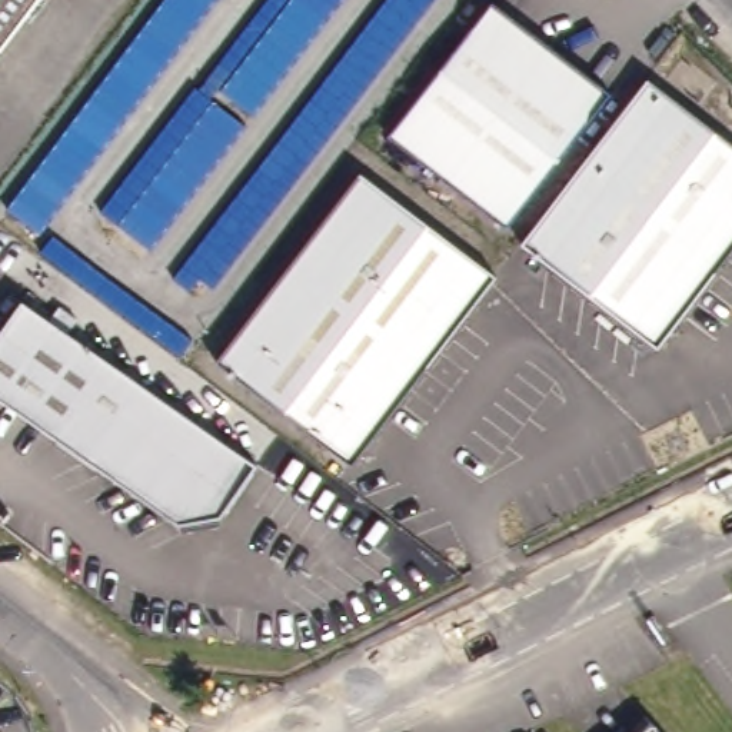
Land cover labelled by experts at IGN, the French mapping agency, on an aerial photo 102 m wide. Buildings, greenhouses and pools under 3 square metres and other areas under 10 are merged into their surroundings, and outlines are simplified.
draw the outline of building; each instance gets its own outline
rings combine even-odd
[[[229,446],[223,446],[200,426],[189,423],[180,412],[157,400],[152,392],[140,389],[112,363],[92,355],[54,326],[49,326],[37,312],[17,306],[9,323],[0,329],[0,406],[6,409],[3,420],[14,432],[31,426],[34,432],[57,440],[69,455],[103,472],[114,486],[129,489],[134,498],[146,498],[152,509],[169,518],[192,518],[212,512],[232,486],[234,475],[240,472],[243,458],[237,458]]]
[[[463,309],[463,303],[472,297],[472,292],[480,286],[486,275],[452,243],[435,234],[426,223],[409,214],[403,206],[397,206],[392,197],[386,197],[380,189],[375,189],[369,180],[357,177],[346,197],[337,203],[337,209],[329,214],[329,220],[320,226],[320,232],[309,240],[300,257],[292,263],[292,269],[283,275],[283,280],[272,289],[272,295],[263,300],[263,306],[254,312],[254,317],[223,355],[223,360],[237,372],[237,377],[243,377],[269,403],[275,403],[292,420],[306,426],[312,435],[317,435],[323,443],[343,455],[352,455],[357,449],[357,443],[366,437],[366,432],[400,392],[400,386],[412,377],[423,355],[435,346],[435,340],[443,335],[443,329]]]
[[[606,132],[606,137],[598,143],[598,149],[586,157],[586,163],[560,192],[560,197],[529,232],[529,240],[540,252],[546,266],[552,266],[563,280],[569,280],[580,295],[592,297],[598,306],[612,309],[623,320],[635,323],[646,337],[655,337],[666,326],[666,320],[675,315],[675,309],[683,303],[692,286],[703,277],[703,272],[732,246],[732,146],[721,140],[715,132],[709,132],[703,123],[698,123],[692,114],[686,114],[663,92],[643,83],[632,103],[623,109],[623,114],[615,120],[615,126]]]
[[[558,54],[543,49],[523,29],[518,29],[509,17],[489,9],[480,17],[480,23],[469,31],[469,37],[460,43],[460,49],[452,54],[452,60],[440,69],[440,74],[432,80],[432,86],[412,106],[412,112],[400,120],[400,126],[395,129],[395,143],[417,160],[423,160],[449,183],[455,183],[463,194],[469,194],[498,220],[515,220],[523,203],[532,197],[532,192],[560,163],[563,152],[583,129],[600,92],[572,66],[566,66]]]
[[[649,723],[641,732],[666,732],[655,718],[649,718]]]
[[[46,0],[0,0],[0,63],[20,40],[26,26],[34,20],[40,6],[46,6]]]

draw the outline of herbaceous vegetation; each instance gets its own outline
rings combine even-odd
[[[51,732],[40,692],[14,666],[0,661],[0,709],[20,706],[23,712],[29,712],[34,732]]]
[[[666,475],[638,475],[635,480],[620,483],[612,495],[583,503],[580,509],[563,515],[552,526],[532,523],[506,543],[509,558],[540,558],[552,549],[569,546],[572,540],[589,532],[606,532],[635,518],[643,518],[655,509],[655,500],[663,495],[683,498],[695,492],[695,480],[709,466],[732,460],[732,440],[698,452],[695,458],[672,466]]]
[[[286,669],[297,663],[289,646],[234,646],[200,641],[192,635],[166,638],[163,632],[140,632],[134,623],[129,623],[112,609],[112,603],[100,600],[100,586],[89,589],[92,572],[69,569],[66,558],[37,560],[34,569],[43,578],[54,580],[71,600],[92,609],[114,632],[126,635],[137,655],[166,658],[169,663],[177,655],[186,655],[200,669],[203,663],[217,663],[249,669]]]
[[[620,706],[615,706],[612,723],[592,726],[589,732],[641,732],[649,723],[649,718],[655,718],[666,732],[732,732],[732,703],[706,681],[706,675],[695,666],[692,658],[678,658],[643,678],[629,681],[623,689],[629,698]]]

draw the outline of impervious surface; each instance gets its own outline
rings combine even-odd
[[[560,163],[532,192],[532,197],[523,203],[515,220],[498,220],[469,194],[463,194],[455,183],[449,183],[423,160],[417,160],[395,143],[395,129],[400,126],[400,120],[412,112],[412,106],[432,86],[432,80],[440,74],[440,69],[452,60],[452,54],[460,49],[460,43],[469,37],[469,31],[480,23],[480,17],[489,9],[509,17],[518,29],[523,29],[543,49],[558,54],[566,66],[572,66],[600,92],[583,129],[563,152]],[[560,197],[560,192],[586,163],[586,157],[598,149],[598,143],[606,137],[606,132],[615,126],[615,120],[623,114],[623,109],[632,103],[643,83],[663,92],[686,114],[692,114],[698,123],[703,123],[709,132],[715,132],[721,140],[732,146],[732,0],[46,0],[46,6],[40,6],[34,20],[26,26],[20,40],[0,63],[0,329],[9,323],[17,306],[37,312],[49,326],[54,326],[92,355],[112,363],[140,389],[152,392],[157,400],[180,412],[189,423],[200,426],[223,446],[229,446],[237,458],[243,458],[240,472],[234,475],[232,486],[212,512],[192,518],[169,518],[152,509],[146,498],[134,498],[129,489],[114,486],[103,472],[69,455],[57,440],[34,432],[31,426],[14,432],[3,420],[6,409],[0,406],[0,661],[14,666],[40,692],[51,732],[589,732],[592,726],[612,723],[615,706],[620,706],[629,698],[623,689],[629,681],[643,678],[678,658],[692,658],[695,666],[706,675],[706,681],[732,703],[732,460],[709,466],[695,480],[695,492],[683,498],[663,495],[655,500],[655,509],[643,518],[635,518],[606,532],[589,532],[572,540],[569,546],[552,549],[540,558],[509,558],[506,543],[532,523],[552,526],[563,515],[580,509],[583,503],[612,495],[620,483],[635,480],[638,475],[666,475],[672,466],[695,458],[698,452],[732,440],[732,246],[703,272],[703,277],[692,286],[683,303],[675,309],[675,315],[666,320],[666,326],[655,337],[646,337],[635,323],[623,320],[612,309],[598,306],[592,297],[580,295],[569,280],[563,280],[552,266],[546,266],[540,252],[529,240],[529,232]],[[357,449],[352,455],[343,455],[323,443],[317,435],[312,435],[306,426],[292,420],[275,403],[269,403],[243,377],[237,377],[237,372],[223,360],[223,355],[254,317],[254,312],[263,306],[263,300],[272,295],[272,289],[283,280],[283,275],[292,269],[292,263],[300,257],[309,240],[320,232],[320,226],[329,220],[329,214],[337,209],[337,203],[346,197],[357,177],[369,180],[375,189],[380,189],[386,197],[392,197],[397,206],[403,206],[409,214],[426,223],[435,234],[452,243],[486,275],[480,286],[472,292],[472,297],[463,303],[463,309],[443,329],[443,335],[435,340],[435,346],[423,355],[412,377],[400,386],[400,392],[366,432],[366,437],[357,443]],[[169,689],[166,681],[169,663],[166,658],[137,655],[126,635],[114,632],[92,609],[71,600],[54,580],[43,578],[34,569],[37,560],[66,558],[69,569],[92,572],[89,589],[100,586],[100,600],[112,603],[112,609],[129,623],[134,623],[140,632],[163,632],[166,638],[192,635],[200,641],[234,646],[289,646],[297,663],[286,669],[249,669],[217,663],[203,663],[200,669],[206,672],[203,686],[212,703],[183,715],[183,698]]]
[[[29,712],[23,712],[20,706],[0,709],[0,732],[34,732]]]

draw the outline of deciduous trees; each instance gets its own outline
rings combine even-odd
[[[200,669],[186,655],[177,655],[169,663],[166,681],[169,689],[183,698],[183,715],[212,703],[203,686],[206,672]]]

